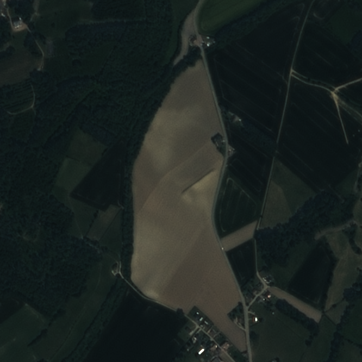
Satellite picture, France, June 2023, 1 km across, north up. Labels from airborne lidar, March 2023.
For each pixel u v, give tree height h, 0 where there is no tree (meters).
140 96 14
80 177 0
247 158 0
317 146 0
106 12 16
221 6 0
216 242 0
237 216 0
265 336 0
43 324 0
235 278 0
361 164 0
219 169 0
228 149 0
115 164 0
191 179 0
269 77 0
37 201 9
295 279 0
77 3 0
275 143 30
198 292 0
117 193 0
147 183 0
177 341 0
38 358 0
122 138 0
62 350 0
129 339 0
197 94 0
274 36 0
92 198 0
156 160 0
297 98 0
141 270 0
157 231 0
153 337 0
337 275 0
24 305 0
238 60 0
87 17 0
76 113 25
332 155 0
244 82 0
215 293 0
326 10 0
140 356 0
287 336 0
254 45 0
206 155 0
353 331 0
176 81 0
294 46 0
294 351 0
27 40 20
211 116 0
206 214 0
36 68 0
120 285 8
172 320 0
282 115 0
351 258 0
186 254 0
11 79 0
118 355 0
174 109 0
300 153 0
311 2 0
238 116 0
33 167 13
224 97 0
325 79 0
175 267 0
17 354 0
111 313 9
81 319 0
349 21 0
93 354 0
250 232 0
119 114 21
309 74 0
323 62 0
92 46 23
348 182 0
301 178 0
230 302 0
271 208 0
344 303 0
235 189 0
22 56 0
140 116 12
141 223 0
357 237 0
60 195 0
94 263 12
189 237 0
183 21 5
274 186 0
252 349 0
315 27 0
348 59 0
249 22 15
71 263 9
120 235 0
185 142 0
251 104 0
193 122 0
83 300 0
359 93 0
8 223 25
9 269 15
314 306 0
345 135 0
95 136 18
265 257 26
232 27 17
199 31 0
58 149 27
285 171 0
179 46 9
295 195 0
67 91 25
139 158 0
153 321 0
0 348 0
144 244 0
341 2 0
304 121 0
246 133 20
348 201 9
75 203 0
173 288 0
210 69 0
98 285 0
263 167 0
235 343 0
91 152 0
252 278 6
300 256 0
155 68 15
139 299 0
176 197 0
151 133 0
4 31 24
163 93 13
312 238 32
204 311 0
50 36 0
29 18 8
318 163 0
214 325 0
